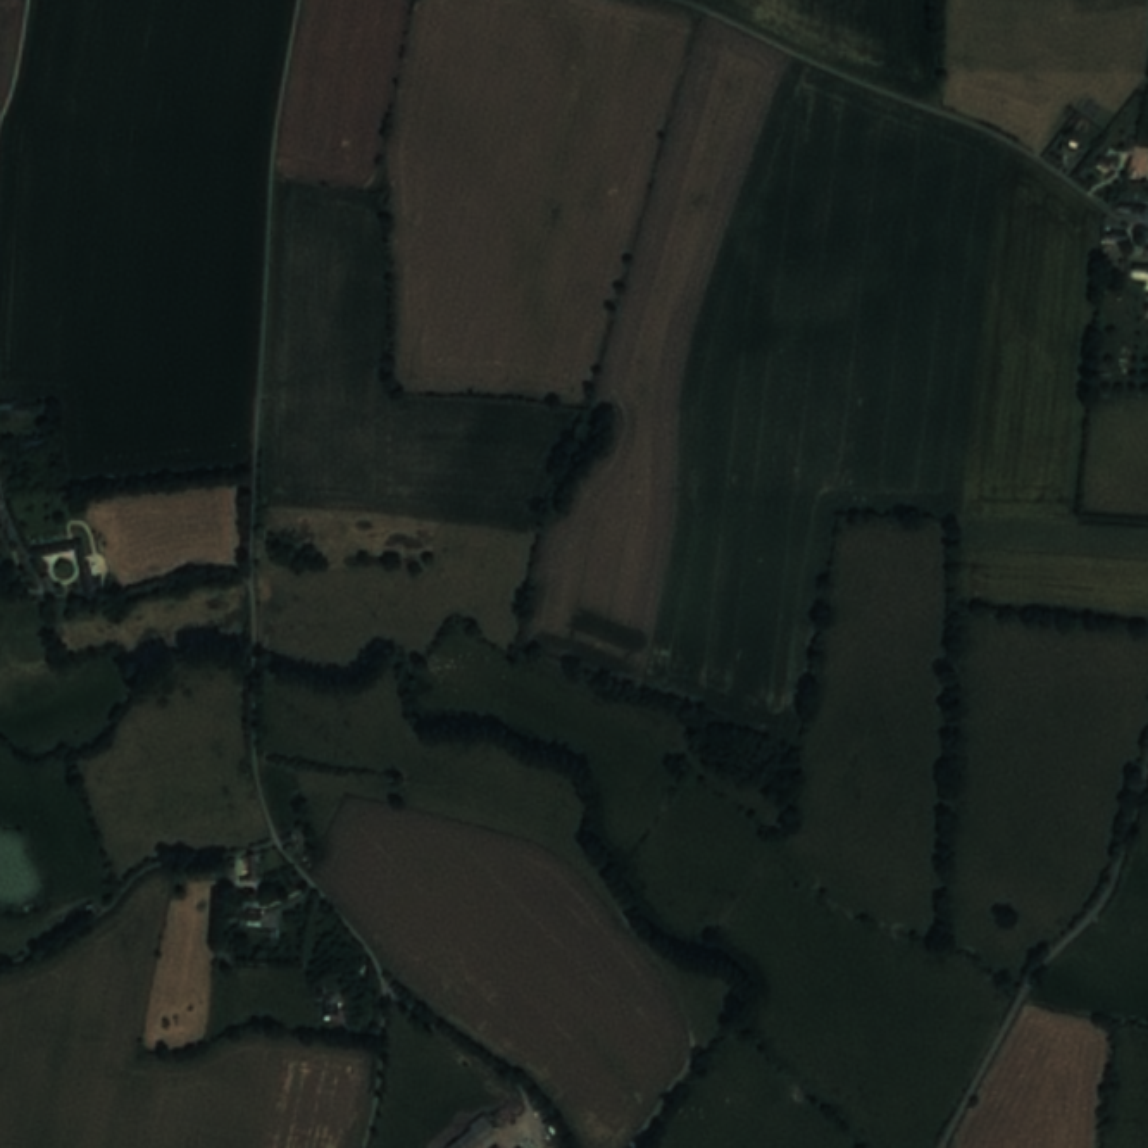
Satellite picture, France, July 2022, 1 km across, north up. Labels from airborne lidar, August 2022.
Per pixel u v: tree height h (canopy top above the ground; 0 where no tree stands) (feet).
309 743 0
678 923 0
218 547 0
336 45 0
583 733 0
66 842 0
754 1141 0
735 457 0
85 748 27
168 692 0
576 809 0
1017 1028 0
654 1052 0
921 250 0
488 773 0
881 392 0
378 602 0
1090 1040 0
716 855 0
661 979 0
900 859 0
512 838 0
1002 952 0
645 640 0
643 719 0
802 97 0
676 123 0
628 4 0
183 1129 0
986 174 0
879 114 0
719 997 0
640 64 0
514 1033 0
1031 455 0
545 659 23
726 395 0
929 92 0
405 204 0
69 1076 0
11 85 0
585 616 0
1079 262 0
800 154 0
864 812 0
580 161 0
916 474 0
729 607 0
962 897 0
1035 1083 0
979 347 0
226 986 0
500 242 0
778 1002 0
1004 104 0
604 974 0
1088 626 45
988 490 0
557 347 0
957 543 37
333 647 0
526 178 0
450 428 0
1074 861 0
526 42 0
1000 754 0
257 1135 0
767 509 0
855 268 0
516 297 0
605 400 0
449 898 0
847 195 0
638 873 0
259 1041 0
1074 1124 0
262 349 0
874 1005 0
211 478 48
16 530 45
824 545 0
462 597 0
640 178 0
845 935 0
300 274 0
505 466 0
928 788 0
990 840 0
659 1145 44
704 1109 0
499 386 0
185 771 0
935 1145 0
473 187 0
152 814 0
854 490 0
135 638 0
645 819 0
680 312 0
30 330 0
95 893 0
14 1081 0
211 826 0
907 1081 0
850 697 0
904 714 0
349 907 0
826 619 49
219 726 0
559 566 0
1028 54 0
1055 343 0
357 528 0
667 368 0
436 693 0
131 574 0
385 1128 0
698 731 47
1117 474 0
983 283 0
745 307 0
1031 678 0
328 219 0
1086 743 0
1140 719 0
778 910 0
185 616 0
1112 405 0
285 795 0
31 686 0
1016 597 0
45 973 0
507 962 0
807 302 0
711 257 0
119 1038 0
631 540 0
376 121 0
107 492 53
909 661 0
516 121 0
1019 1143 0
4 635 0
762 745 42
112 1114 0
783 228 0
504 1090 0
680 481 0
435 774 0
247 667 20
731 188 0
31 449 25
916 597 0
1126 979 0
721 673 0
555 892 0
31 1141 0
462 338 0
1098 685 0
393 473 0
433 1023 35
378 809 0
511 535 0
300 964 23
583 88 0
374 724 0
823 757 0
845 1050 0
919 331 0
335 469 0
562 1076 0
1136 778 61
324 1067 0
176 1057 27
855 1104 0
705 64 0
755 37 0
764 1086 0
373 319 0
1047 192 0
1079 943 0
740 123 0
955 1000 0
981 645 0
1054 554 0
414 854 0
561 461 54
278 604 0
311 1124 0
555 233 0
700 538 0
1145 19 0
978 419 0
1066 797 0
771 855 0
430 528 0
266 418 0
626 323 0
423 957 0
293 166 0
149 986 0
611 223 0
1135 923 0
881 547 0
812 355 0
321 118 0
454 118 0
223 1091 0
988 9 0
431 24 0
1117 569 0
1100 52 0
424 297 0
